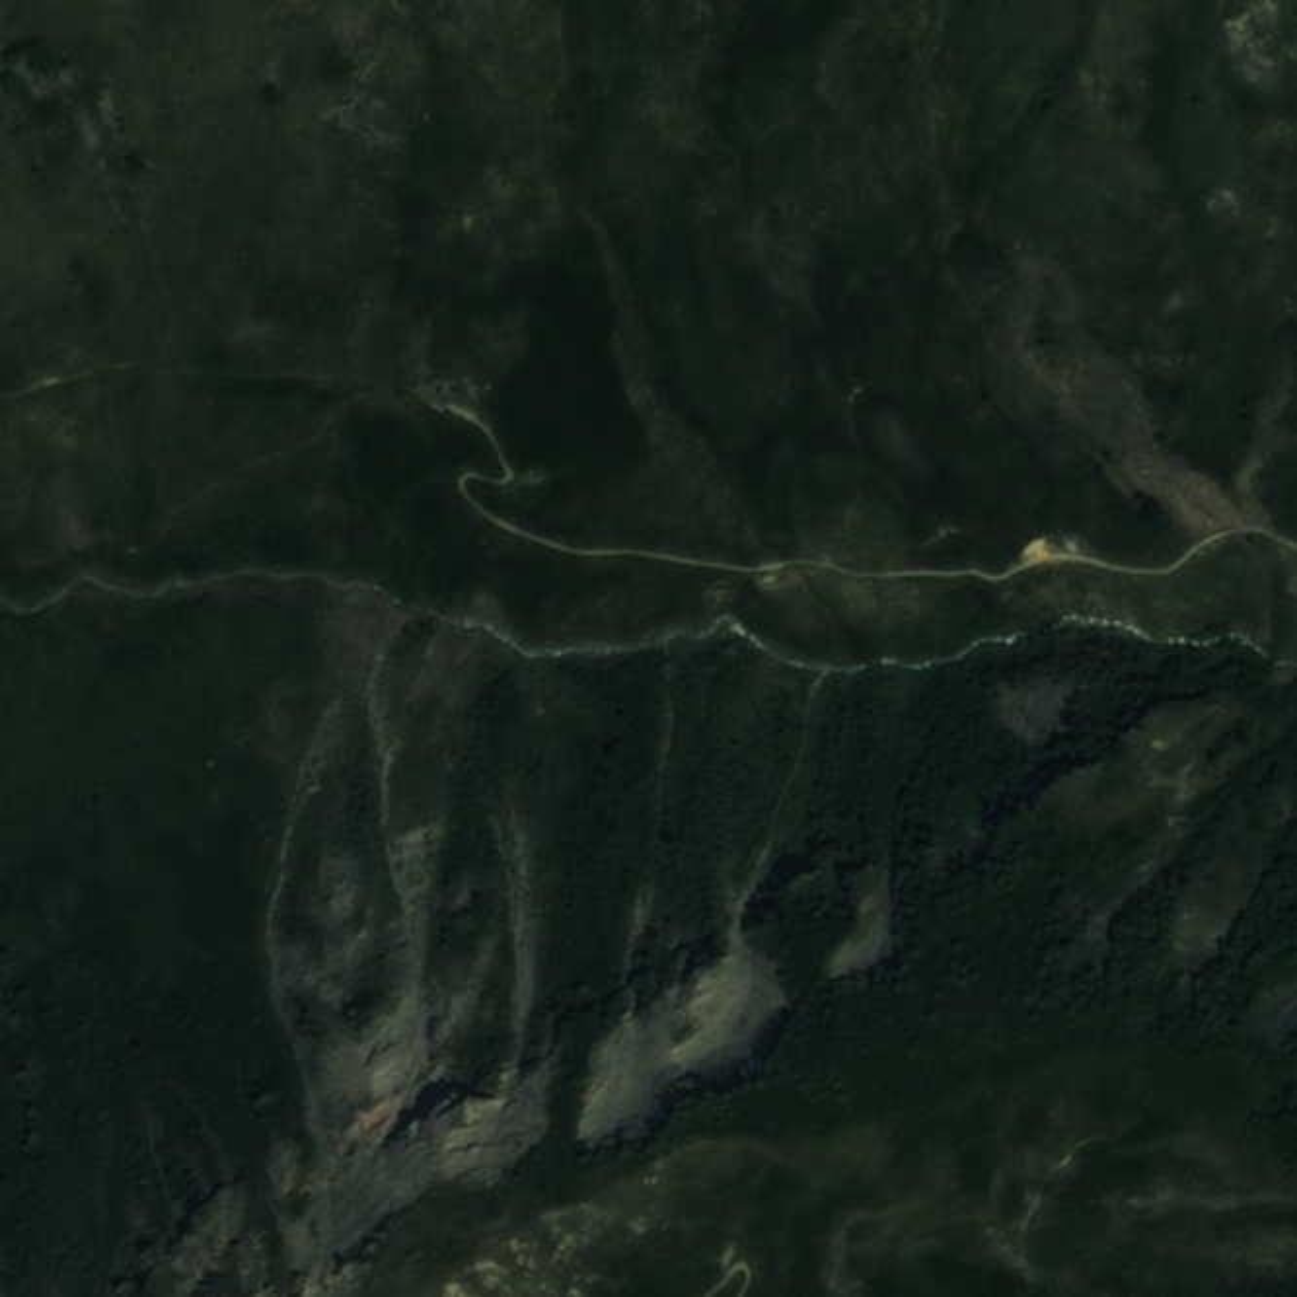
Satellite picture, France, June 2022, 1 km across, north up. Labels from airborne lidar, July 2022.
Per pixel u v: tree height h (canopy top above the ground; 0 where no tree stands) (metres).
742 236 0
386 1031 0
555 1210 0
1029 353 0
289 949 0
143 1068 0
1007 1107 0
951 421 0
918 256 0
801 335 0
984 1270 0
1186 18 0
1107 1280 0
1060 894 12
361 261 0
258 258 0
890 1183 0
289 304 0
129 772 0
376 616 0
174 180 0
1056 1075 0
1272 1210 0
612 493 0
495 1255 0
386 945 0
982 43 0
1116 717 6
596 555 0
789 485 0
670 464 0
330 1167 0
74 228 0
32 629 0
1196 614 0
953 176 0
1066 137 0
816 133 0
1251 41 0
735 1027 0
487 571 0
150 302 0
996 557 0
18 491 0
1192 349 0
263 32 0
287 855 0
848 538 0
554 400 0
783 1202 0
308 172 0
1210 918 0
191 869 0
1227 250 0
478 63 0
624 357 0
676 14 0
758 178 0
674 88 0
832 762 6
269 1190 0
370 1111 0
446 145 0
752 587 0
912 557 0
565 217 0
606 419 0
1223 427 0
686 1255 0
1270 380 0
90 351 0
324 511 0
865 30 0
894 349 0
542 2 0
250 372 0
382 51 0
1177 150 0
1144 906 8
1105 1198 0
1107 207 0
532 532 0
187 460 0
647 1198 0
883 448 0
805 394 0
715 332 0
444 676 0
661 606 0
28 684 0
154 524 0
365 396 0
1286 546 0
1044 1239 0
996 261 0
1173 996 7
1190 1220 0
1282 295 0
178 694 0
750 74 0
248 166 0
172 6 0
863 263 0
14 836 0
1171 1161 0
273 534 0
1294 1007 0
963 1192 0
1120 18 0
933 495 0
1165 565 0
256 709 0
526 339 0
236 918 0
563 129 0
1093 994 6
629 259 0
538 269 0
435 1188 0
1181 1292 0
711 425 0
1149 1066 0
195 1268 0
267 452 0
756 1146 0
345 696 0
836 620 0
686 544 0
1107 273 0
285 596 0
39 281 0
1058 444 0
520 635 0
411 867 0
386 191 0
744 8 0
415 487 0
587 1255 0
